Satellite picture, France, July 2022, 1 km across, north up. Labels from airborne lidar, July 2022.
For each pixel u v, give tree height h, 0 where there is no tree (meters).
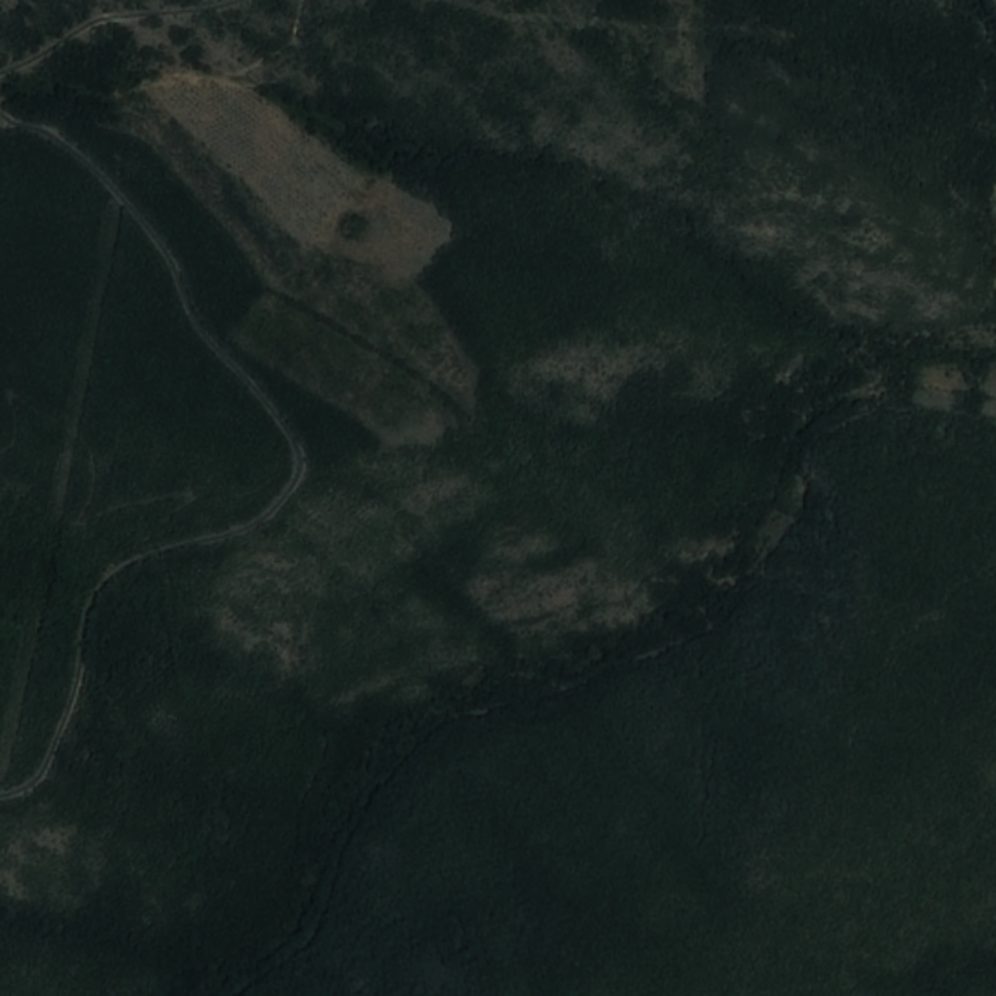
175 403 6
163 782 12
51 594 13
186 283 6
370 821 10
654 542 10
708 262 8
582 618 8
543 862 6
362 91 7
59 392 6
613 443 9
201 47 5
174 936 13
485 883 6
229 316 9
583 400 6
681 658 7
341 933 8
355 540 6
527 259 6
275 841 11
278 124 0
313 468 8
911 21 7
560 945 6
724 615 9
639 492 8
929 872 6
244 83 0
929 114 6
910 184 5
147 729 8
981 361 9
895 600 6
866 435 6
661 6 8
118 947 16
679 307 6
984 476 6
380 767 6
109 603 15
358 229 0
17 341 6
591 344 7
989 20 9
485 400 8
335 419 7
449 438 6
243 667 8
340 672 9
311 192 0
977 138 7
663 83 8
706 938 6
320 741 9
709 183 8
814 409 7
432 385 7
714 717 7
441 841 6
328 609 8
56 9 5
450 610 7
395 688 6
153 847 7
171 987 10
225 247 6
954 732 5
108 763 11
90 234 6
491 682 7
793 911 6
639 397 9
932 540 6
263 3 9
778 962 6
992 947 7
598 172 8
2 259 6
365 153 10
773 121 0
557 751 6
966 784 6
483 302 6
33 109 8
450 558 11
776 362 8
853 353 11
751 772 6
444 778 6
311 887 15
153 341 9
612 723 6
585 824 6
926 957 8
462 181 9
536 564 6
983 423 6
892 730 6
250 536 6
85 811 9
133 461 6
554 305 6
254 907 10
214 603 7
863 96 7
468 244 7
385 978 7
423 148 11
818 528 8
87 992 6
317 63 8
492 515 6
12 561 16
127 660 11
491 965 6
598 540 7
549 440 8
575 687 8
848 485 6
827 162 0
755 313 10
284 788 7
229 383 7
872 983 7
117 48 7
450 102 6
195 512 7
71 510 7
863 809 5
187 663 12
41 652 11
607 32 6
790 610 6
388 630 7
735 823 6
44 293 5
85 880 6
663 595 8
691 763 6
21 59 7
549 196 5
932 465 6
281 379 7
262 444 5
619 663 6
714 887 6
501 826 6
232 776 8
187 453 6
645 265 6
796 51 6
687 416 11
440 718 6
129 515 7
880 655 5
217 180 0
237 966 9
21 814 6
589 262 8
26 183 6
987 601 5
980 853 8
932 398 0
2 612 9
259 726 9
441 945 7
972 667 6
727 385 6
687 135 6
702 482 9
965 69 7
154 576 10
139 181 7
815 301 8
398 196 0
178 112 0
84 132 9
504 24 5
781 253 6
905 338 7
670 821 6
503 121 6
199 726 9
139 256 8
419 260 0
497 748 8
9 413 5
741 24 8
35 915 7
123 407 7
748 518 11
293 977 10
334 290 0
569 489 7
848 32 7
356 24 7
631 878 6
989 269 8
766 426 10
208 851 8
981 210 6
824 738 6
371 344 7
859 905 5
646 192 6
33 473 6
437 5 6
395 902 6
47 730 6
